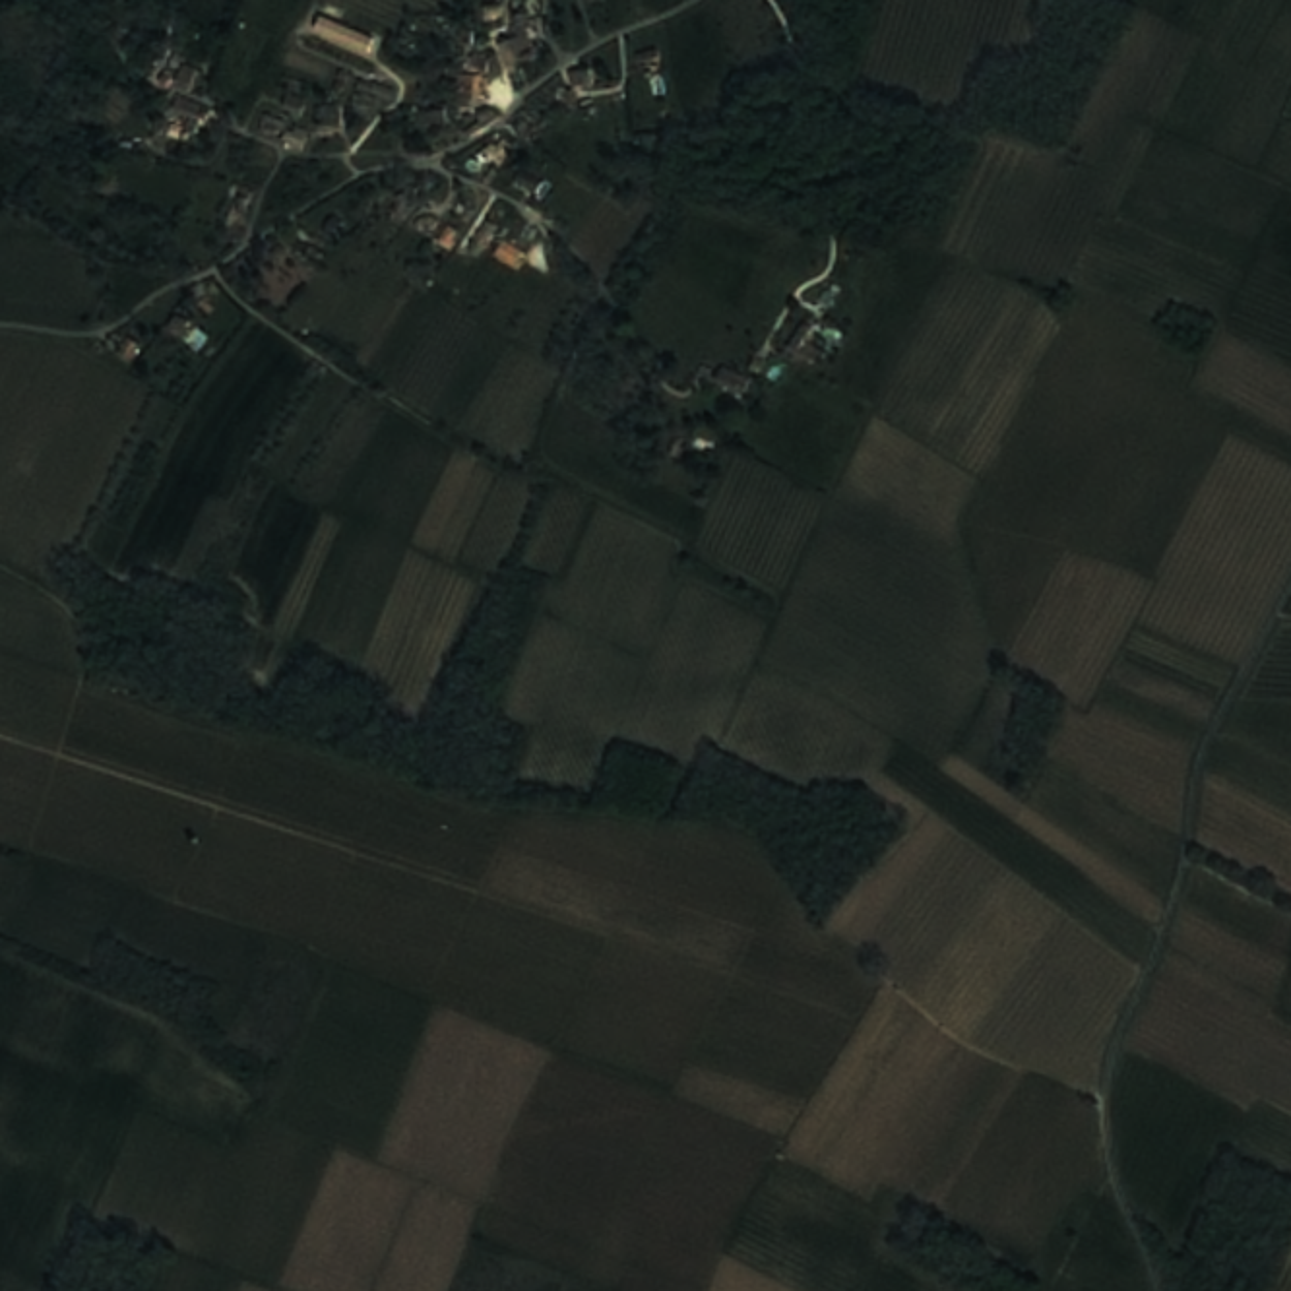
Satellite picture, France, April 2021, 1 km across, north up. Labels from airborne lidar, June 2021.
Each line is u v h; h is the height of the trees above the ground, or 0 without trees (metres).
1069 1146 0
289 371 0
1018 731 15
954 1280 16
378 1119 0
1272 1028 0
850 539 0
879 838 17
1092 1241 0
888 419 0
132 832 0
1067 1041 0
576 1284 0
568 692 0
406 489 0
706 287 0
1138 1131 0
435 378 0
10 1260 0
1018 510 0
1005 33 0
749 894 0
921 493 0
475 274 0
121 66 9
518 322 10
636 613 0
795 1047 0
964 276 0
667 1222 0
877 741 0
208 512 0
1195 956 0
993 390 0
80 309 0
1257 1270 13
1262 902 15
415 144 7
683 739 0
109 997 10
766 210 16
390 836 0
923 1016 0
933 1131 0
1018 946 0
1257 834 0
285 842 0
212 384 0
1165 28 0
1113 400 0
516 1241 0
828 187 12
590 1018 0
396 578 0
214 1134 0
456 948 0
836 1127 0
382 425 0
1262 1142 0
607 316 18
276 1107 0
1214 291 0
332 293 0
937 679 0
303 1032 0
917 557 0
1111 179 0
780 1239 0
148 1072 0
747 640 0
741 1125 0
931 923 0
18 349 0
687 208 13
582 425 0
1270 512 0
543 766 0
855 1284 0
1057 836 0
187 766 0
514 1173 0
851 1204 0
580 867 0
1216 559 0
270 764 0
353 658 0
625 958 0
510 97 0
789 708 0
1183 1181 0
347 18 0
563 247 16
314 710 20
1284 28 0
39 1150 0
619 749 9
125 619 12
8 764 0
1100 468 0
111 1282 23
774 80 19
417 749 21
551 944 0
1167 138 0
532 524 8
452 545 0
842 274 0
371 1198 0
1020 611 0
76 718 0
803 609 0
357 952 0
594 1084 0
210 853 0
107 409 0
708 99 0
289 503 0
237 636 17
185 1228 0
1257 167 0
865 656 0
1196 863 12
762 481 0
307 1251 0
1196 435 0
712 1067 0
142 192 0
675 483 0
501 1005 0
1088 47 15
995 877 0
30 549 0
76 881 0
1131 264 0
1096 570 0
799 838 13
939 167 12
